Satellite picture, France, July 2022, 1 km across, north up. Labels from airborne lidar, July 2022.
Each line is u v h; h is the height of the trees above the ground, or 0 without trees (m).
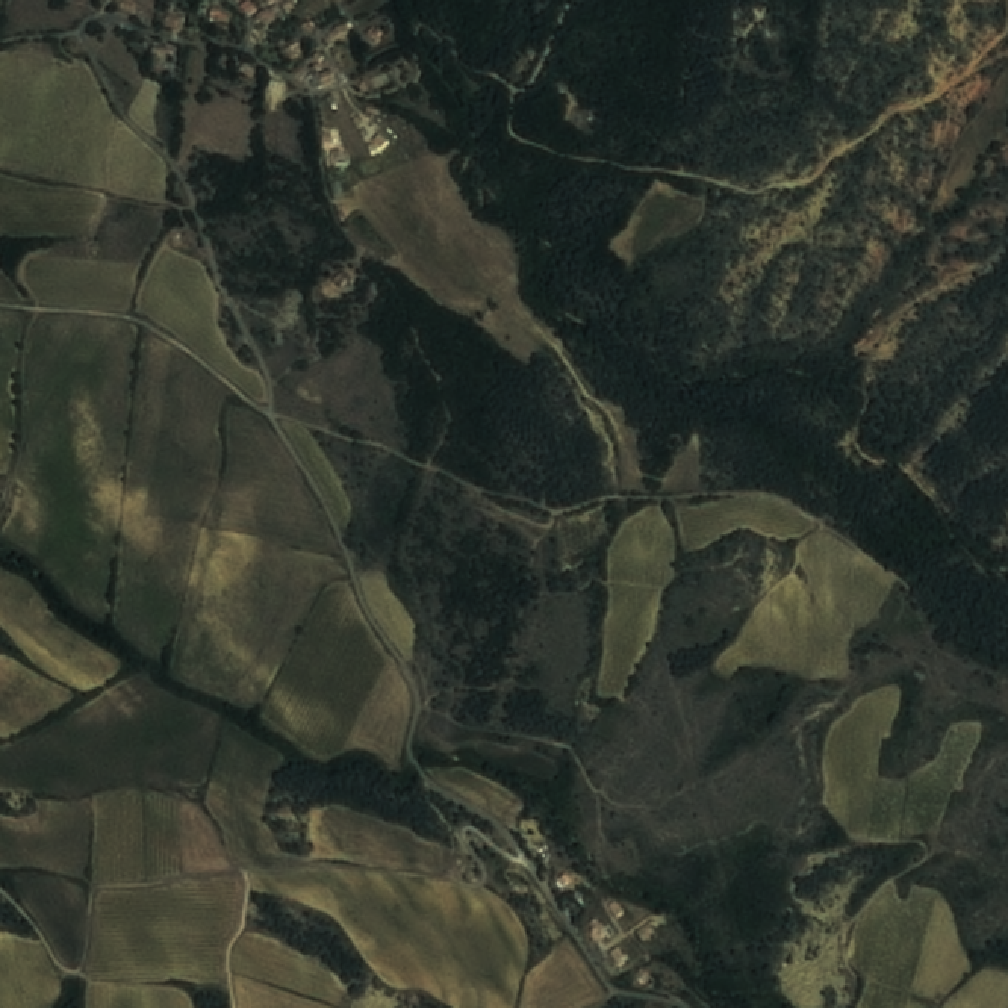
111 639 11
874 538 13
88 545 0
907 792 0
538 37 9
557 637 0
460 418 6
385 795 11
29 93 0
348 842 0
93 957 0
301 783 9
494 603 5
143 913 0
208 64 11
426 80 11
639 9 8
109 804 0
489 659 9
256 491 0
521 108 7
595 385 10
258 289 8
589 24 8
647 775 0
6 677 0
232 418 0
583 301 8
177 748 0
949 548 9
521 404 14
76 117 0
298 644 0
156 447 0
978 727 0
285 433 0
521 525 0
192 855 0
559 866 0
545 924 0
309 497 0
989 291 7
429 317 6
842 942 0
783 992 0
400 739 0
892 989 0
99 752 0
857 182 7
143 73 10
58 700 0
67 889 0
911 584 12
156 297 0
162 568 0
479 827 10
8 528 0
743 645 0
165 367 0
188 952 0
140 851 0
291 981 0
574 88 7
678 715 0
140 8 0
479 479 9
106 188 0
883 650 7
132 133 0
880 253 0
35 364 0
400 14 18
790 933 8
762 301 9
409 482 9
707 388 21
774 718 15
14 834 0
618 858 0
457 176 16
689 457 0
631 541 0
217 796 0
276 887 0
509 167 6
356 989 10
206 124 0
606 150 8
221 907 0
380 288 6
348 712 0
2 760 0
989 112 0
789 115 10
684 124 11
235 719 11
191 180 6
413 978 0
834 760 0
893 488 13
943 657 0
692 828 0
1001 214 0
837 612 0
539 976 0
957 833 0
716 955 7
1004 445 8
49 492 0
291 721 0
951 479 10
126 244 0
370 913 0
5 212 0
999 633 11
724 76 8
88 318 0
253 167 8
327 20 8
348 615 0
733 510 0
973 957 14
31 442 0
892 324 0
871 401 8
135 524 0
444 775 0
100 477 0
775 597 0
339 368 0
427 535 5
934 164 8
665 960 9
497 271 0
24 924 12
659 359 15
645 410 12
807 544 0
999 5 9
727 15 8
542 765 0
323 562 0
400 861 0
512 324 0
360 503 0
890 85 10
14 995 0
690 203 0
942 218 7
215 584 0
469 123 16
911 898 0
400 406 7
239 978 0
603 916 0
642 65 12
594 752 0
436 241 0
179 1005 0
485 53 6
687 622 7
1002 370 8
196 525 0
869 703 0
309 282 8
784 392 13
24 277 0
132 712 0
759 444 10
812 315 8
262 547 0
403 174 0
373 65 9
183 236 0
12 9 0
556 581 9
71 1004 13
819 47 8
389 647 0
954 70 0
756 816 0
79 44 0
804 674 0
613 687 0
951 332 7
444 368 5
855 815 0
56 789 0
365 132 0
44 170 0
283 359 0
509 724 13
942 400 6
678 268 0
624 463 0
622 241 0
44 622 0
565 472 10
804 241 0
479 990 0
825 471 14
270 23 6
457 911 0
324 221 6
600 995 0
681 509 0
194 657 0
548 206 15
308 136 10
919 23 8
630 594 0
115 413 0
